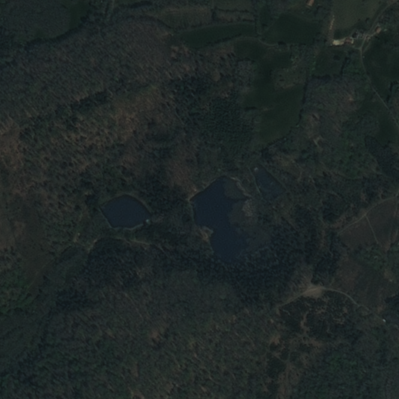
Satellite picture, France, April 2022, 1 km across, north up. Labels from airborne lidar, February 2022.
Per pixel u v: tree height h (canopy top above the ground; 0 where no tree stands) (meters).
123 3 0
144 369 26
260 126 17
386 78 0
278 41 0
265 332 31
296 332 8
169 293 29
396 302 20
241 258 0
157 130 19
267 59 0
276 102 0
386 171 20
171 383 26
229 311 28
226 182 0
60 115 24
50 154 32
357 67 24
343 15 0
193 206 0
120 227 0
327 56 0
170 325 27
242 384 33
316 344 0
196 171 16
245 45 0
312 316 7
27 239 0
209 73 21
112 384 28
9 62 29
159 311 29
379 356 23
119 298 31
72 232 26
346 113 26
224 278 15
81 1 0
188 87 23
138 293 29
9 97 26
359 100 29
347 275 0
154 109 15
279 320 28
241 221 0
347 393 25
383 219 0
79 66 27
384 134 0
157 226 9
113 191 27
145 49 27
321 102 30
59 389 31
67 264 25
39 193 25
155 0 19
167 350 27
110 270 26
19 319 20
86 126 23
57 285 6
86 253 21
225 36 0
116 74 26
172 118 17
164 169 16
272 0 28
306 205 9
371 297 0
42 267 0
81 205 0
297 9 0
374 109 0
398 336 26
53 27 26
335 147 19
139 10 23
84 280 25
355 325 15
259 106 0
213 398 31
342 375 25
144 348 26
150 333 27
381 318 0
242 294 21
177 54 0
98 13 21
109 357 29
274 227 15
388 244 0
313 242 12
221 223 0
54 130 28
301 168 30
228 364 29
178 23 0
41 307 10
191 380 22
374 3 0
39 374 29
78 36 26
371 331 23
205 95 17
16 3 20
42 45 25
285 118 0
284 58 0
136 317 27
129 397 27
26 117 27
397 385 18
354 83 27
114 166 29
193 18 0
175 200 12
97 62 25
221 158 12
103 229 6
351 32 0
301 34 0
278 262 31
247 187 18
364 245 0
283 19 0
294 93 0
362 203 6
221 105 10
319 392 15
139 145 13
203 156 21
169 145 25
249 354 30
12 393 32
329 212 14
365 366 25
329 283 29
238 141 11
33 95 26
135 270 30
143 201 13
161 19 0
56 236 26
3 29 18
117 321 29
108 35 22
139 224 0
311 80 21
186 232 23
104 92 25
